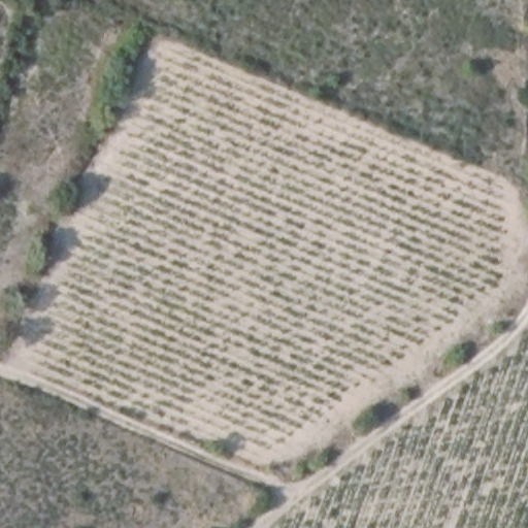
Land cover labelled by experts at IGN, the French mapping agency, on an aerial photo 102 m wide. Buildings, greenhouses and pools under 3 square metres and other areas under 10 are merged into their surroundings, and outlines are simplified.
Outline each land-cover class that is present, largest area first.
<instances>
[{"label":"vineyard","instance_id":"1","mask_svg":"<svg viewBox=\"0 0 528 528\"><path fill-rule=\"evenodd\" d=\"M149 58L155 62L153 97L136 99V111L120 122V130L109 136V140L99 149L93 165L89 167V173L109 177L107 190L95 202L87 204L76 215L62 217L58 223V227L62 229H74L80 239L78 245L68 252V258L58 262L52 268V272L41 278V285L56 287L58 295L52 299L50 307L25 309L23 318H50L54 322V328L50 334L41 336L33 344H29L23 338H17L14 344L0 355V375L4 380H17L27 386L41 388L43 392L60 396L80 408H95L101 417L126 429L151 435L173 448L198 454L223 468L237 470L248 479L276 487L285 495V501L278 507L262 514L250 528H528V210L520 202V190L507 177L495 171L462 163L450 157L448 153L433 151L423 142L392 134L382 126L365 122L318 99H309L303 93L293 91L266 76L250 74L243 68L227 64L182 41L155 37L149 50Z\"/></svg>","mask_w":528,"mask_h":528},{"label":"herbaceous vegetation","instance_id":"2","mask_svg":"<svg viewBox=\"0 0 528 528\"><path fill-rule=\"evenodd\" d=\"M155 37L182 41L227 64L243 68L250 74L266 76L293 91L303 93L309 99H318L365 122L382 126L392 134L423 142L433 151L448 153L450 157L462 163L495 171L507 177L520 190V202L528 210V0H0V355L14 344L17 338H23L29 344H33L41 336L50 334L54 328V322L50 318H23L25 309L50 307L52 299L58 295L56 287L41 285V278L52 272V268L58 262L68 258V252L78 245L80 239L74 229H62L58 227V223L62 217L76 215L87 204L95 202L107 190L109 177L89 173V167L93 165L99 149L109 140V136L120 130V122L136 111V99L153 97L155 62L149 58V50ZM285 501V495L276 487L248 479L237 470L223 468L198 454L173 448L151 435L126 429L101 417L95 408H80L60 396L43 392L41 388L27 386L17 380H4L0 375V528H250L262 514L278 507Z\"/></svg>","mask_w":528,"mask_h":528}]
</instances>
